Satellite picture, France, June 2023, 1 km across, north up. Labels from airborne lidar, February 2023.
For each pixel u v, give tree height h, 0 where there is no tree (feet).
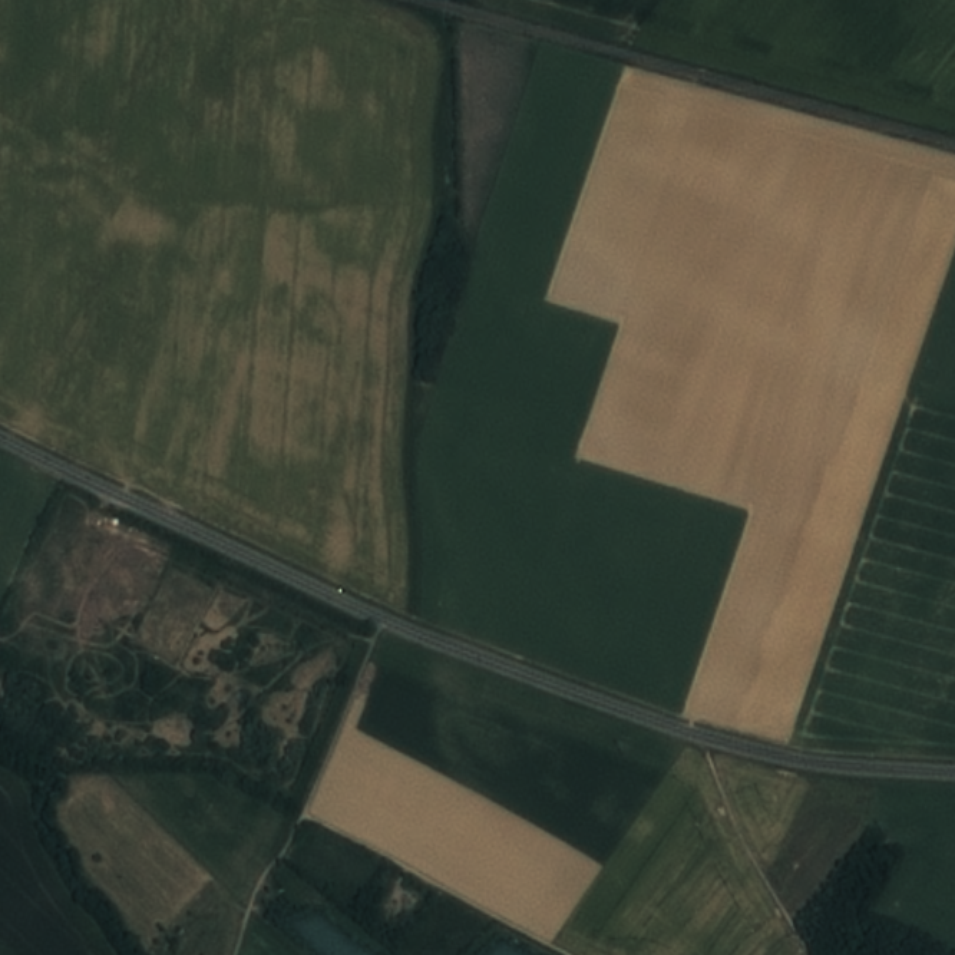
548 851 0
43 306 0
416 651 0
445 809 0
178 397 0
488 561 0
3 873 0
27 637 0
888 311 0
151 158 0
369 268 0
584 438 0
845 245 0
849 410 0
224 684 0
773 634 0
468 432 0
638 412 0
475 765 0
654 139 0
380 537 0
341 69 0
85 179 0
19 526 0
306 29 0
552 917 0
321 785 0
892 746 0
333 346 0
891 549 0
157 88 0
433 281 42
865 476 0
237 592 0
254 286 0
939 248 0
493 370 0
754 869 0
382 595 0
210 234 0
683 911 0
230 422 0
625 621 0
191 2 0
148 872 0
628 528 0
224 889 0
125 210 0
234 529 0
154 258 0
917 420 0
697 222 0
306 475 0
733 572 0
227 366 0
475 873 0
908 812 0
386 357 0
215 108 0
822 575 0
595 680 0
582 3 0
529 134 0
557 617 0
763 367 0
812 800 0
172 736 0
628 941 0
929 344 0
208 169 0
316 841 0
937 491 0
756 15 0
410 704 0
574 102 0
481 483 0
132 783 0
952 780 0
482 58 0
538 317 0
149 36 0
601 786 0
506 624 0
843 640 0
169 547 0
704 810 0
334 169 0
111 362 0
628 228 0
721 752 0
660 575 0
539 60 0
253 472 0
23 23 0
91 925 0
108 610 0
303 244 0
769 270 0
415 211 0
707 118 0
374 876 19
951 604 0
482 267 0
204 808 0
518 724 0
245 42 0
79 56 0
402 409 0
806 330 0
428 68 0
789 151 0
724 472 0
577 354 0
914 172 0
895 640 0
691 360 0
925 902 0
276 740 45
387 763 0
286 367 0
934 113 0
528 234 0
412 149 0
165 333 0
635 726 0
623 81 0
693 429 0
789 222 0
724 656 0
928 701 0
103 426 0
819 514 0
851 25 0
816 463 0
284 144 0
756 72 0
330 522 0
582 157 0
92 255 0
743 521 0
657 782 0
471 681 0
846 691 0
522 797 0
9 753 48
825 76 0
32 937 0
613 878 0
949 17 0
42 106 0
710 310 0
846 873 45
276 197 0
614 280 0
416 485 0
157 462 0
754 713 0
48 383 0
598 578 0
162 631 0
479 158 0
